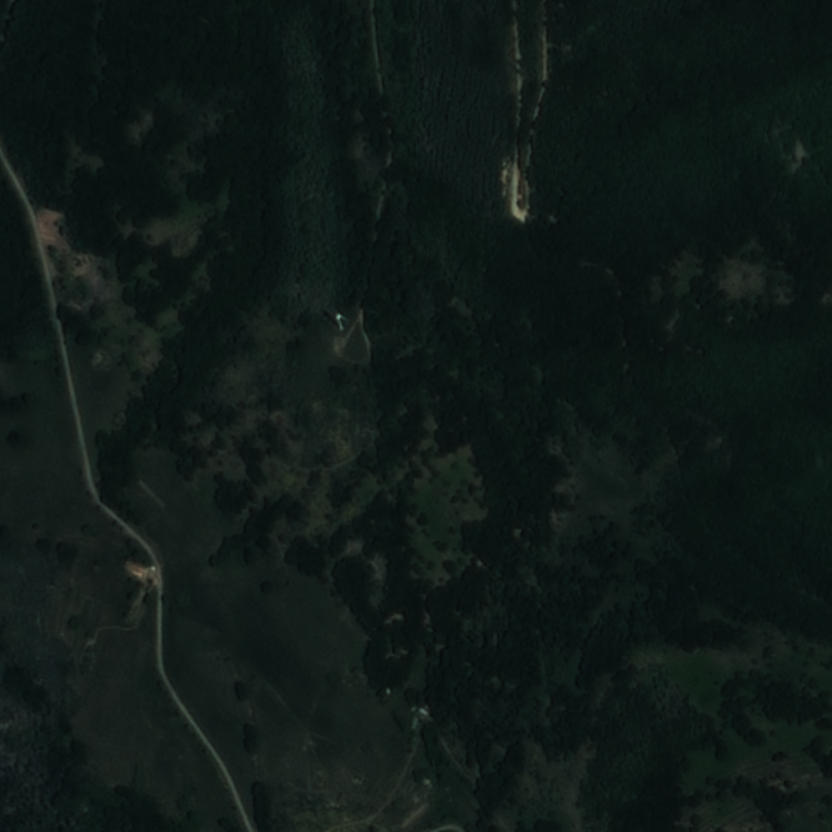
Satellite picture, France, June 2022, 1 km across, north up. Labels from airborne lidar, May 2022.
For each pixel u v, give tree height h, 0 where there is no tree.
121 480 13
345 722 0
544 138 12
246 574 0
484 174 9
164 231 0
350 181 11
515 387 14
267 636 0
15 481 0
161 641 0
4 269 19
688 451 11
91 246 10
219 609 0
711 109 20
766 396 17
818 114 14
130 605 11
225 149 15
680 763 11
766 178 18
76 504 0
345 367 0
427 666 7
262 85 18
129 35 12
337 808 0
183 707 0
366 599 9
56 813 8
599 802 9
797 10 23
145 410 15
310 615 0
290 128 9
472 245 11
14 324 17
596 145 13
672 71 11
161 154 7
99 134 15
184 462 9
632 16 12
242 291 20
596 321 13
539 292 14
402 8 10
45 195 11
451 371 12
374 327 10
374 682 12
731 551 11
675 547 8
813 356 17
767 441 16
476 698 9
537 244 18
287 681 0
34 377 0
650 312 14
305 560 14
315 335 0
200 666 0
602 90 13
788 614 12
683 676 0
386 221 11
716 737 12
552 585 6
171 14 13
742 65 14
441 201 15
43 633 0
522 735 11
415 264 10
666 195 17
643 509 9
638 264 15
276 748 0
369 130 8
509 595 14
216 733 0
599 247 16
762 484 21
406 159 8
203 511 0
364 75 8
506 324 13
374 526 6
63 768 10
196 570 0
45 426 0
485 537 15
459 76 12
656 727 15
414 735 7
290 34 13
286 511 9
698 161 17
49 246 10
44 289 12
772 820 16
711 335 21
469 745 9
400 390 12
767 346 15
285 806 0
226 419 8
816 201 15
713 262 13
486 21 10
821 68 24
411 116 9
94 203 11
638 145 16
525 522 11
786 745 0
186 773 0
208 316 17
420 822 0
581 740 9
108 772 0
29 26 16
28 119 14
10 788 15
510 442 11
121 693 0
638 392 9
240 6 9
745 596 14
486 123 11
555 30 18
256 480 10
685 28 17
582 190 17
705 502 14
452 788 0
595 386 10
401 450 9
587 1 14
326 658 0
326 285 8
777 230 10
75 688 0
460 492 7
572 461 7
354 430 0
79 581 0
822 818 12
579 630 7
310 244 11
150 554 0
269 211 22
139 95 11
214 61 13
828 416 18
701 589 10
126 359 11
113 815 17
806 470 17
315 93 7
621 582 8
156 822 13
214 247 7
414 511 7
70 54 18
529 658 12
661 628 10
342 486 9
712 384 12
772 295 8
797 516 20
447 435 7
